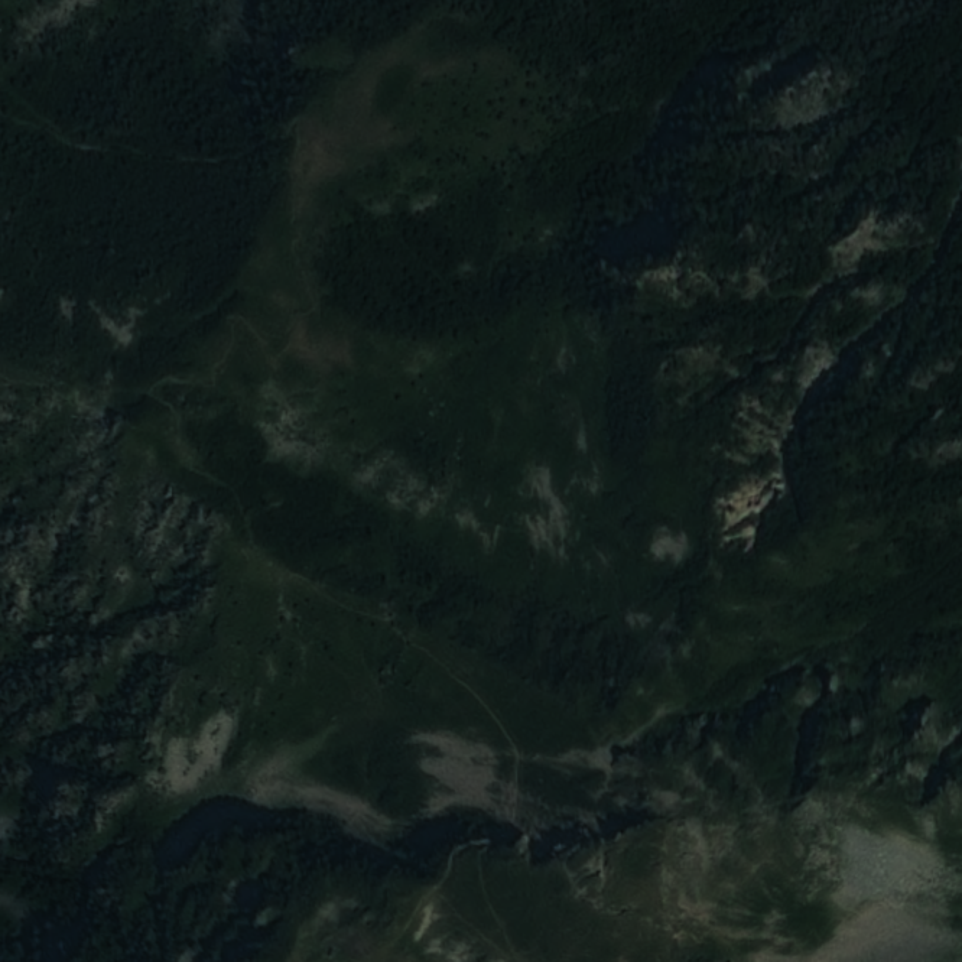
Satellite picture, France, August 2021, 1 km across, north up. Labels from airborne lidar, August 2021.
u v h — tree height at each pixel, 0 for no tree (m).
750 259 12
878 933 0
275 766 0
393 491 0
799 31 14
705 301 10
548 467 0
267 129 6
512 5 12
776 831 0
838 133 19
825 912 0
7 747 8
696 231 7
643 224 6
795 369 9
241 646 7
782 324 9
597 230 8
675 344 8
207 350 0
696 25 15
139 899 0
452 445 0
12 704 9
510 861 0
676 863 0
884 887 0
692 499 0
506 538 0
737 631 0
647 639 0
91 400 0
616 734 0
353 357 0
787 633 0
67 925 8
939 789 6
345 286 8
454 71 0
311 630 0
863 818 0
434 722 0
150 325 0
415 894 0
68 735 10
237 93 7
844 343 9
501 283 5
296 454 0
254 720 0
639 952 0
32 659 7
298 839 7
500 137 0
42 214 8
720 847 0
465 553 0
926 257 13
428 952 0
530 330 0
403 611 0
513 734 0
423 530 0
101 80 6
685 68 16
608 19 11
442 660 0
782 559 0
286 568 0
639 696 0
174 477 0
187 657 0
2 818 0
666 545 0
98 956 8
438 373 0
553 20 9
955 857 0
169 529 0
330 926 0
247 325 0
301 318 0
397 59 0
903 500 7
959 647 7
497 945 0
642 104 9
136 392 0
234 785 0
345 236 7
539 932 0
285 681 0
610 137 11
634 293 7
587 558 0
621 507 0
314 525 6
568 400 0
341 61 0
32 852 11
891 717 6
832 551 0
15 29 6
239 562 0
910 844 0
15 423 10
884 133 16
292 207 0
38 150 8
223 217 6
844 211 11
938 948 0
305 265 0
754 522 6
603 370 0
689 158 7
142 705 10
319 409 0
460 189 0
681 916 0
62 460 0
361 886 0
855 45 12
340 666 0
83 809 7
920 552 11
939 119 15
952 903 0
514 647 5
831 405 11
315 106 0
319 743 0
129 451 0
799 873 0
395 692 0
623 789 0
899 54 14
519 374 0
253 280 0
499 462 0
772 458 12
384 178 6
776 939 0
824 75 19
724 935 0
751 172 15
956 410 6
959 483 13
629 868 0
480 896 0
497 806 0
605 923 0
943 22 19
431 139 0
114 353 0
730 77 8
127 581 0
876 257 8
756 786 0
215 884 6
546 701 0
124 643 0
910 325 13
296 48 9
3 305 0
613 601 0
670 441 0
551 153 9
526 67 8
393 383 0
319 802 0
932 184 37
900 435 14
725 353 7
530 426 0
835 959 0
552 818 0
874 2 26
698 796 0
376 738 0
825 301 11
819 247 7
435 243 5
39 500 0
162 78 9
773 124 11
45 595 10
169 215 7
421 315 12
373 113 0
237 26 0
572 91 17
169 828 0
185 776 0
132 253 5
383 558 0
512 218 0
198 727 0
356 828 0
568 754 0
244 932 0
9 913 0
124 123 10
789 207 17
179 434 0
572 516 0
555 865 0
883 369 12
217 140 7
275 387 0
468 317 12
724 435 9
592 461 0
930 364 8
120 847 15
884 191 25
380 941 0
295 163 0
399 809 0
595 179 8
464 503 0
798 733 11
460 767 0
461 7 8
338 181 0
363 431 0
